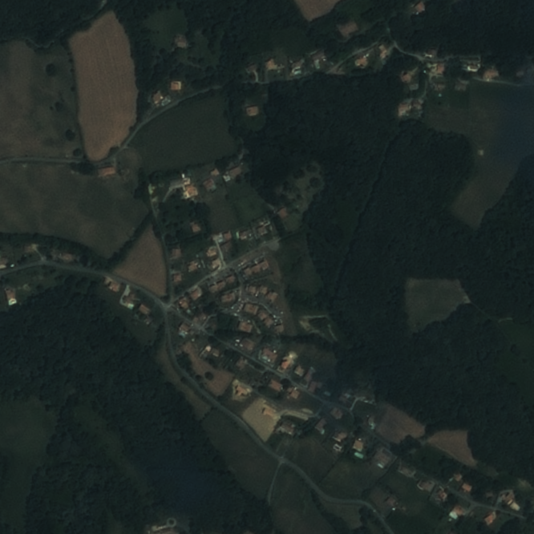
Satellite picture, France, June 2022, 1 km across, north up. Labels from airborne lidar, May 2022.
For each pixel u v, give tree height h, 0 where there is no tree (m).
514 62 16
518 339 0
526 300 29
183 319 0
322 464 0
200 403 0
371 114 19
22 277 0
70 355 31
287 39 0
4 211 0
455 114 0
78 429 10
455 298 0
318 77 19
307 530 0
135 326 0
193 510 27
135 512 11
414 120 14
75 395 7
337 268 22
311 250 14
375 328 26
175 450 30
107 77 0
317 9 0
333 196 18
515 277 6
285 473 0
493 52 20
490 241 21
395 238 20
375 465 0
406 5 18
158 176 14
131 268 0
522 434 26
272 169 25
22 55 0
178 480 28
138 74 13
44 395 23
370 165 24
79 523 27
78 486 12
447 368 25
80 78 0
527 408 13
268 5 25
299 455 0
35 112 0
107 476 17
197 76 16
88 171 16
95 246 0
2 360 25
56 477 13
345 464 0
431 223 23
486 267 26
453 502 12
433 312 0
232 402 0
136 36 8
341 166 23
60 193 0
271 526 21
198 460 25
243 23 26
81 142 0
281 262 0
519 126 0
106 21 0
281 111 25
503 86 0
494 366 15
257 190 10
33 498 19
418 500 0
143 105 13
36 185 0
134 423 29
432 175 20
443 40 25
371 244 23
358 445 0
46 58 0
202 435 18
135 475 0
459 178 11
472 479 17
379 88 25
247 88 16
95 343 22
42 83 0
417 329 0
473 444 24
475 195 0
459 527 12
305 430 7
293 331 0
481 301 20
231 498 27
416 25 24
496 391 25
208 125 0
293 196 0
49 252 11
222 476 25
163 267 0
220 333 12
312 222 18
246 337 11
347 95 26
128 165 0
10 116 0
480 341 19
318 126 31
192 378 6
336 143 23
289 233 7
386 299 11
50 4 18
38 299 23
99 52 0
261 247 0
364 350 26
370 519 16
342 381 5
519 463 32
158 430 23
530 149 0
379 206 23
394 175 27
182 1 19
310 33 16
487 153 0
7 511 0
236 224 0
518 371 0
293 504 0
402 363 32
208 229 9
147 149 0
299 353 0
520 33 21
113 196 0
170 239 14
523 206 16
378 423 0
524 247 17
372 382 7
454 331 27
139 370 25
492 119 0
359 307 24
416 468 12
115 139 0
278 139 24
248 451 0
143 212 0
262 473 0
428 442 0
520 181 11
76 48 0
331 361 0
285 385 14
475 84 0
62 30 14
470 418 18
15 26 28
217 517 27
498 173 0
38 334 24
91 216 0
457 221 10
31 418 0
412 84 0
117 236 0
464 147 19
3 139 0
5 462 7
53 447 15
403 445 15
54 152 0
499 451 30
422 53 16
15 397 25
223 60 13
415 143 25
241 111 17
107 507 9
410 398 23
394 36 20
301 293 8
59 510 13
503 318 16
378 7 8
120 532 0
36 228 0
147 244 0
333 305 20
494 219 7
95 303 19
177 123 0
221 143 0
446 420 19
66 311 28
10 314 22
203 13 20
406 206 26
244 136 16
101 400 7
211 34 12
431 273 22
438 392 25
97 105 0
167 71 14
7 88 0
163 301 6
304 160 17
